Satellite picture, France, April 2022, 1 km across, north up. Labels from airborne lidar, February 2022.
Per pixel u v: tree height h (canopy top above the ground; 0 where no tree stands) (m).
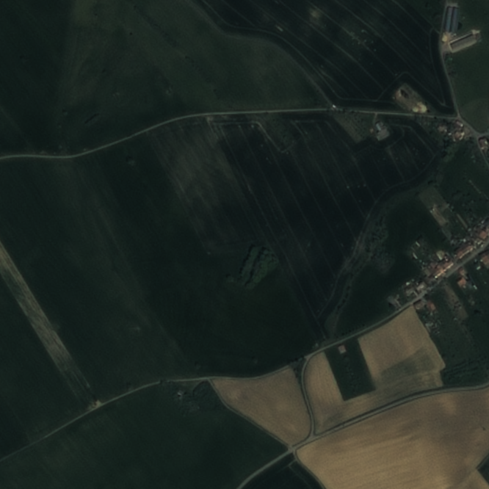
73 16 0
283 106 0
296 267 0
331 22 0
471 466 0
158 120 0
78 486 0
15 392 0
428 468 0
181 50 0
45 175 0
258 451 0
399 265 0
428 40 0
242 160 0
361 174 0
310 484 0
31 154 0
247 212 0
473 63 0
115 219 0
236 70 0
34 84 0
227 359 0
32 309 0
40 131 0
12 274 0
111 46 0
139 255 0
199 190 0
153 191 0
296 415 0
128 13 0
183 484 0
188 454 0
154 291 0
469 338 0
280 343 0
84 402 0
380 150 0
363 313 0
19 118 0
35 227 0
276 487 0
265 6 0
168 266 0
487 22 0
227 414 0
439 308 0
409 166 0
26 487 0
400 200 0
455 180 0
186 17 0
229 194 0
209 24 0
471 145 12
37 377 0
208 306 0
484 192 0
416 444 0
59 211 0
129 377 0
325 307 0
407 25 0
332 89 0
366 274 0
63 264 0
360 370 0
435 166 0
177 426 0
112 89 0
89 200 0
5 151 0
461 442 0
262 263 19
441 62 0
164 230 0
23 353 0
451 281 0
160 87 0
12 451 0
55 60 0
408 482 0
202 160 0
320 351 0
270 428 0
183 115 0
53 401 0
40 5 0
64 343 0
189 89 0
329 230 0
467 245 0
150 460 0
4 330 0
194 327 0
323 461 0
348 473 0
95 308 0
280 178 0
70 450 0
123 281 0
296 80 0
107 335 0
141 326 0
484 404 0
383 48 0
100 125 0
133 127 0
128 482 0
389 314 0
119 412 0
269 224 0
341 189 0
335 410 0
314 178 0
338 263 0
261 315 0
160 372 0
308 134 0
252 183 0
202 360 0
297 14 0
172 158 0
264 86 0
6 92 0
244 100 0
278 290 0
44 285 0
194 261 0
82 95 0
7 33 0
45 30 0
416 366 0
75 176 0
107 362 0
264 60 0
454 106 0
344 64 0
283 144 0
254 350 0
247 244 0
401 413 0
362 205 0
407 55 0
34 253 0
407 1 0
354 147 0
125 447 0
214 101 0
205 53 0
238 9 0
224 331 0
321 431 0
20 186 0
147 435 0
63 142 0
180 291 0
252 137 0
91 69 0
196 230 0
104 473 0
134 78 0
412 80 0
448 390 0
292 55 0
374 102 0
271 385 0
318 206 0
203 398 6
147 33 0
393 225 0
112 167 0
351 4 0
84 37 0
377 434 0
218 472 0
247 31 0
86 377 0
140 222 0
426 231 0
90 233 0
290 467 0
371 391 0
